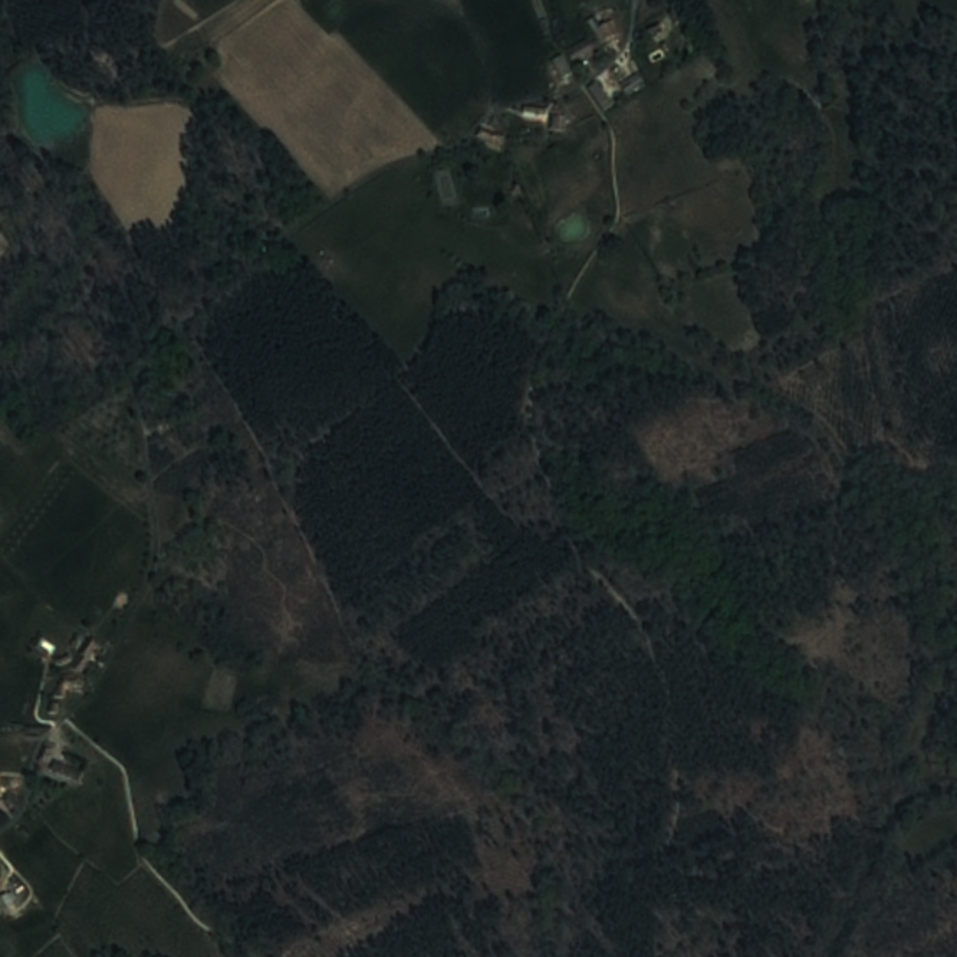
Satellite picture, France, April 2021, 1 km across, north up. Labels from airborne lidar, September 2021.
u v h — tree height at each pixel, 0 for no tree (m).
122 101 19
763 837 23
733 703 22
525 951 20
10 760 0
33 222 12
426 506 16
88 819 0
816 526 24
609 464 30
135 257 19
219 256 9
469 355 16
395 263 0
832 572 27
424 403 12
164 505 0
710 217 0
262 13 0
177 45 0
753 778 19
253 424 13
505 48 0
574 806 25
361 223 0
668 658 26
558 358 16
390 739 0
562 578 26
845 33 19
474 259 0
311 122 0
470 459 15
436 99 0
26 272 17
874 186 23
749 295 24
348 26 0
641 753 22
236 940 12
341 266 0
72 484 0
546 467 12
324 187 0
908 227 14
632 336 14
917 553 25
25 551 0
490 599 13
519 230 0
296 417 11
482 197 0
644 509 29
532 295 0
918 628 23
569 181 0
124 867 0
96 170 0
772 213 14
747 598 28
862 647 7
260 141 22
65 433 8
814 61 13
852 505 19
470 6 0
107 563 0
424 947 24
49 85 0
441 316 10
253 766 8
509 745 19
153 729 0
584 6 0
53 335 7
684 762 22
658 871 22
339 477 15
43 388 23
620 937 23
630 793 25
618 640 22
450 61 0
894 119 25
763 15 0
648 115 0
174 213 0
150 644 0
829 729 9
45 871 0
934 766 13
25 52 16
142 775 0
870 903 11
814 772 15
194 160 21
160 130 0
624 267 0
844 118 0
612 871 15
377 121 0
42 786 8
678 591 17
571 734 17
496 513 14
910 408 8
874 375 6
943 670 15
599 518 22
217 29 0
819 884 21
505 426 18
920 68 25
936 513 21
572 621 17
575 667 8
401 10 0
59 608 0
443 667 13
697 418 0
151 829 0
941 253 23
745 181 0
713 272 10
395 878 13
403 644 14
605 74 0
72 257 18
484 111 0
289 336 18
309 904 10
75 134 0
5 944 0
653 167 0
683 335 0
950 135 24
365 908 12
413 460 15
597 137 0
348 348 15
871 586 26
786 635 23
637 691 25
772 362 13
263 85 0
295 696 0
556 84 0
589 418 23
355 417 11
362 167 0
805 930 19
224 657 6
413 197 0
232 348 17
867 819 8
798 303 10
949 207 17
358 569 12
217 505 0
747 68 0
